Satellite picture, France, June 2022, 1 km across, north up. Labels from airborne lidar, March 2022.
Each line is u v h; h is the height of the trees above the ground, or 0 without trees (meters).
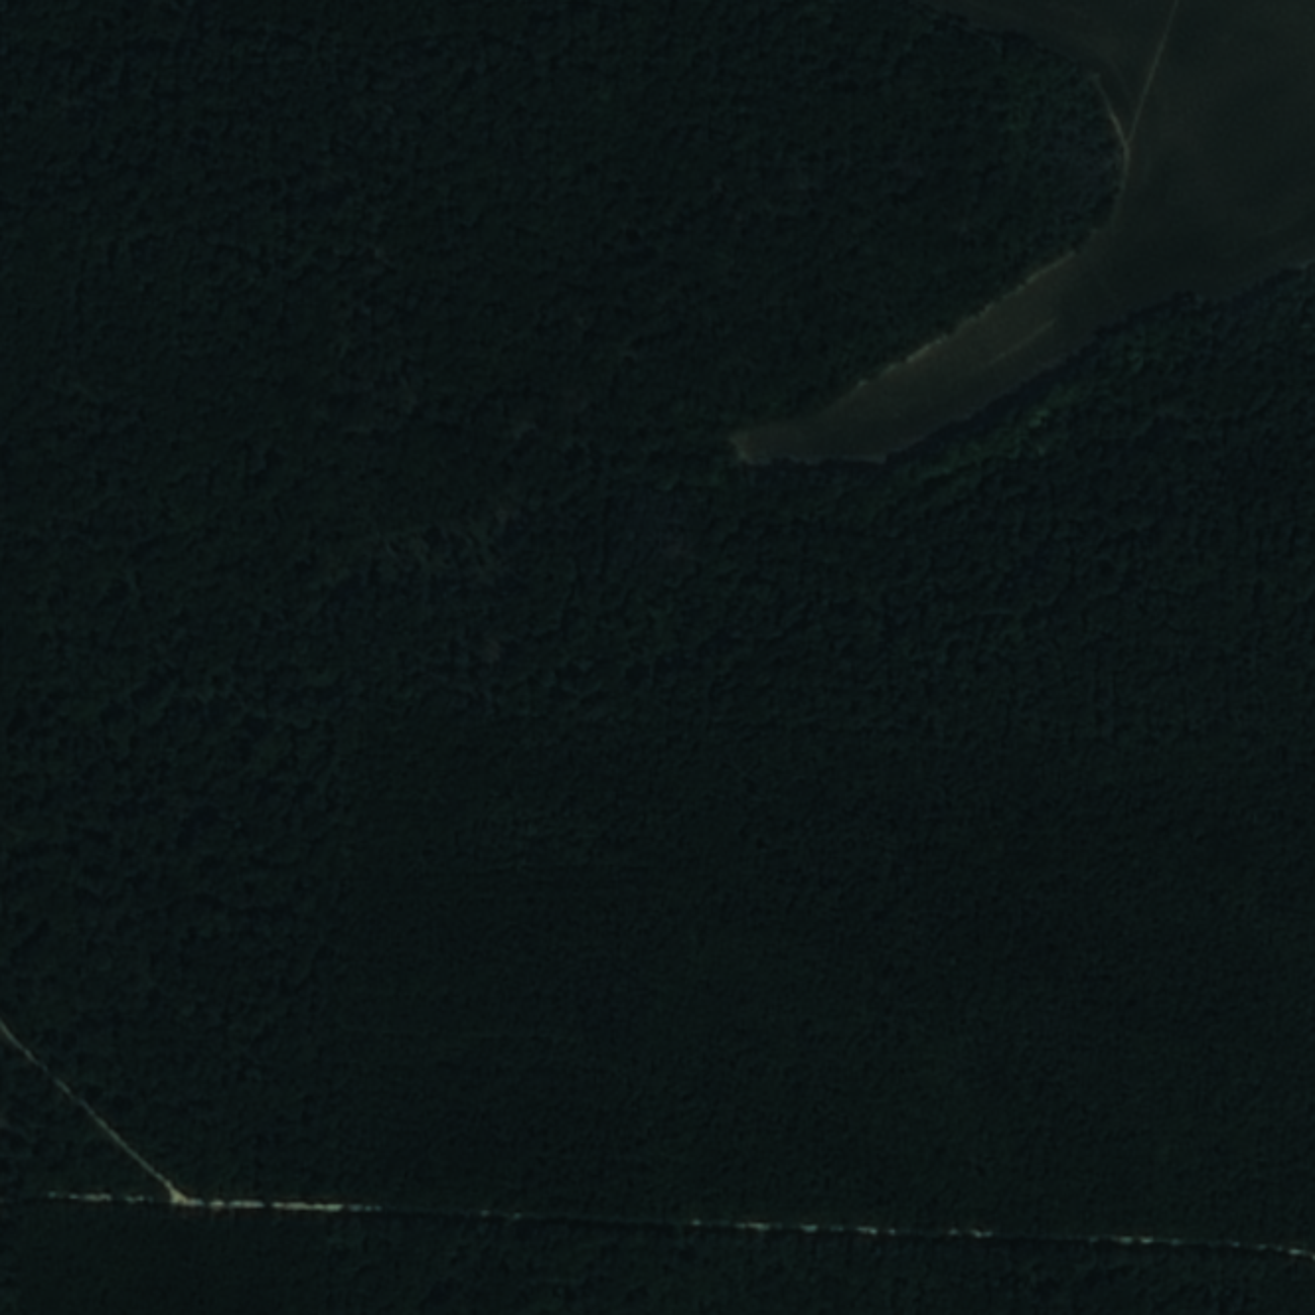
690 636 19
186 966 24
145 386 17
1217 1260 21
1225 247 0
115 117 23
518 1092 16
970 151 18
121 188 24
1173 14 0
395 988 11
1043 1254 19
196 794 20
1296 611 17
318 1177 23
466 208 21
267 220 23
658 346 21
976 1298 22
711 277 16
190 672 21
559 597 18
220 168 24
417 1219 13
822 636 22
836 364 13
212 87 21
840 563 19
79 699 23
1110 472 22
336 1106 14
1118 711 20
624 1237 21
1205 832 15
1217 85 0
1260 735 19
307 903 17
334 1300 21
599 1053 18
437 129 20
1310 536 16
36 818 21
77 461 20
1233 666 16
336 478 18
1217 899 16
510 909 14
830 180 13
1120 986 19
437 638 16
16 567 20
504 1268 22
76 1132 19
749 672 18
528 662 20
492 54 17
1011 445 20
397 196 17
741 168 18
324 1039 17
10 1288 22
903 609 22
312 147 20
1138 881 18
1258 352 11
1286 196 0
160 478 19
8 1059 19
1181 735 20
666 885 17
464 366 18
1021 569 21
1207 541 18
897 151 14
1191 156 0
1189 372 20
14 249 23
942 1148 14
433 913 0
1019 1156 16
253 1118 20
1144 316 10
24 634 23
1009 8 0
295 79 21
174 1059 17
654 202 15
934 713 18
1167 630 20
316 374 23
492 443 22
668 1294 19
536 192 18
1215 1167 17
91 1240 12
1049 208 15
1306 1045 0
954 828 21
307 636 18
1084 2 0
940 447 17
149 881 23
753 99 18
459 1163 15
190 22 6
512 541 17
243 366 25
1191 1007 17
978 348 0
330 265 18
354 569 15
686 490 23
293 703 24
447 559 19
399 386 20
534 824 15
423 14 7
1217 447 15
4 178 24
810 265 17
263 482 26
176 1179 12
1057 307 0
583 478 19
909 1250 18
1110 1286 20
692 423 12
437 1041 13
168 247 23
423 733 21
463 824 14
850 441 0
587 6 22
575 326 18
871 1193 17
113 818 21
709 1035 14
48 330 20
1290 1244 14
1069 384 21
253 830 22
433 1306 24
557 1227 17
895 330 11
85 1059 23
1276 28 0
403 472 19
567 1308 24
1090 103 8
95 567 24
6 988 19
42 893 23
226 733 12
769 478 19
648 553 20
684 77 7
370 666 19
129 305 18
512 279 19
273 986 22
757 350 16
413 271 7
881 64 17
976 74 21
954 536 22
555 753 15
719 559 23
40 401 17
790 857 19
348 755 17
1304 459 15
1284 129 0
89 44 7
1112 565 23
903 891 19
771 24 17
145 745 24
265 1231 13
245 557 20
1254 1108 17
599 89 15
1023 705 14
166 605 20
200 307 20
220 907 23
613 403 21
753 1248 16
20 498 24
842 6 18
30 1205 11
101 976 20
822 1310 21
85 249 20
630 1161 17
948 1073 11
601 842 16
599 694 23
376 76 22
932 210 20
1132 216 0
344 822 20
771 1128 17
